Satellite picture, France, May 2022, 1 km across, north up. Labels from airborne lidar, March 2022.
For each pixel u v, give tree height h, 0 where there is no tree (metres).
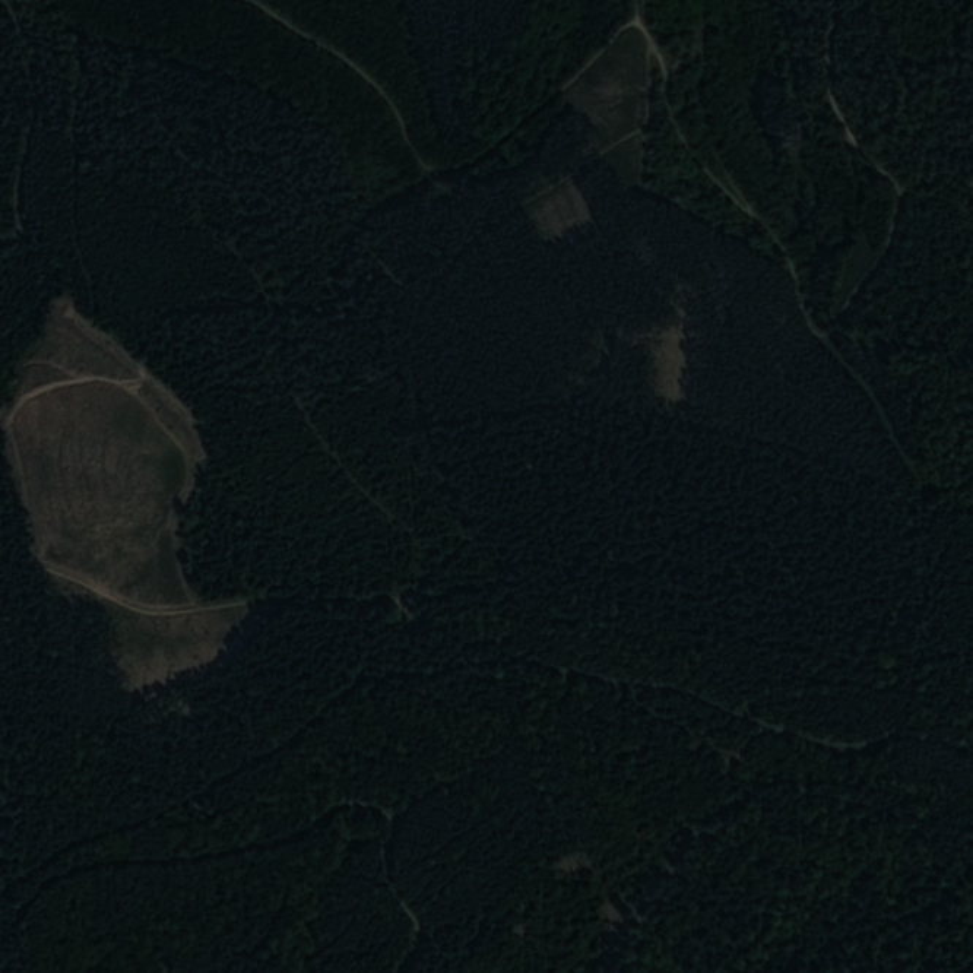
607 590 25
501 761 23
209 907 28
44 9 18
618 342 22
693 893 27
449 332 23
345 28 12
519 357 18
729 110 12
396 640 33
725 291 27
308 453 9
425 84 25
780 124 34
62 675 27
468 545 10
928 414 31
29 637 28
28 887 25
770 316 21
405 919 22
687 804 15
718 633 25
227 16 11
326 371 24
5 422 0
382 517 7
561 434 29
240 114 30
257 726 25
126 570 0
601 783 18
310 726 26
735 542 31
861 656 18
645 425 28
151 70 26
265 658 30
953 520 19
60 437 0
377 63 10
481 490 34
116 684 26
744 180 15
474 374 23
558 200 0
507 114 24
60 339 0
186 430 0
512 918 16
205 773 28
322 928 22
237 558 13
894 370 26
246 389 19
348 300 27
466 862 24
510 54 21
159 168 20
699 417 21
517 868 25
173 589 0
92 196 12
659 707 15
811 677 8
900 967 32
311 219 9
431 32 28
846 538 34
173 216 13
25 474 0
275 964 29
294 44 11
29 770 26
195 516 8
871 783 24
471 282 19
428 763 24
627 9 10
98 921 22
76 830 25
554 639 24
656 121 15
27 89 29
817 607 33
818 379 23
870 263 0
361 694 17
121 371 0
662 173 8
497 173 10
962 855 31
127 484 0
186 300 10
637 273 22
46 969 17
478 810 19
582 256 22
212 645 0
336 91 13
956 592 19
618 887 7
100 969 23
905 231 10
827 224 15
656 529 33
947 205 6
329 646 33
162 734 25
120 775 27
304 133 23
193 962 21
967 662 25
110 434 0
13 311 21
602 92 0
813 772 18
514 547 30
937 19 16
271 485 9
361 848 23
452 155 9
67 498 0
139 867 24
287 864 24
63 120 28
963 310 9
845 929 35
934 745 28
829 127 25
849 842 27
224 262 14
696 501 30
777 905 33
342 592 15
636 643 15
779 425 23
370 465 13
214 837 23
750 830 26
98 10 13
